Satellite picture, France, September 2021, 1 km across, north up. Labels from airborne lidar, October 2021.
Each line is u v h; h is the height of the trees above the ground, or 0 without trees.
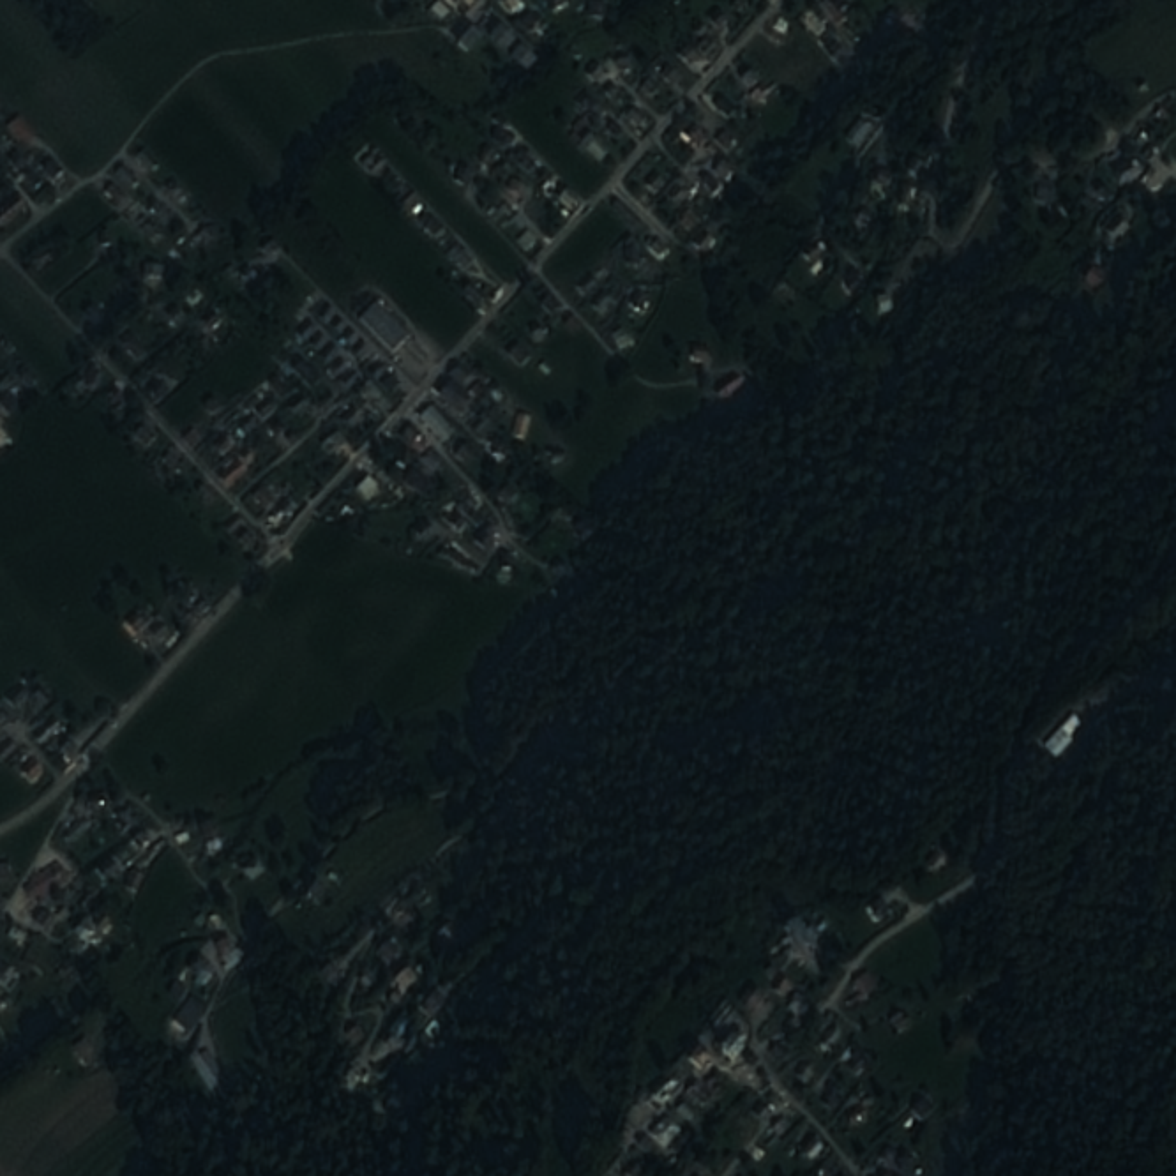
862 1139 0
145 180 0
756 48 0
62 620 0
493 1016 15
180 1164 19
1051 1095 27
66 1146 0
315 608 0
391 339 0
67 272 0
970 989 12
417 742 0
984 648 12
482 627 0
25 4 14
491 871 14
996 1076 16
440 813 0
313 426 0
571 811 21
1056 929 20
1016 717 19
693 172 0
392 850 0
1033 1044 29
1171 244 23
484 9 0
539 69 18
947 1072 0
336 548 0
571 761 17
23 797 0
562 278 0
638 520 27
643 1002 22
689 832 19
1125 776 22
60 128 0
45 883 0
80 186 0
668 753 12
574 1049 27
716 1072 7
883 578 19
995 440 19
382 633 0
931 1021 0
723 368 0
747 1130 0
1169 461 19
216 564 0
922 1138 12
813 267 0
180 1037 0
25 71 0
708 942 15
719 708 18
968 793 20
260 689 0
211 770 0
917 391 21
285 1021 22
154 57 0
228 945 0
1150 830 27
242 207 0
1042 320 17
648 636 12
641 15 16
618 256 0
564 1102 0
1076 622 14
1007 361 22
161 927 0
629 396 0
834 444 25
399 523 0
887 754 19
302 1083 10
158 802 0
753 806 19
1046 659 20
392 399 0
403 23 13
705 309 0
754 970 0
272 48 0
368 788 17
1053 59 13
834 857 20
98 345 19
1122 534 30
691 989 16
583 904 33
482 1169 24
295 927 0
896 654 23
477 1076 10
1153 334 23
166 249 0
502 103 9
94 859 0
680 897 31
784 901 0
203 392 0
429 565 0
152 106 0
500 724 20
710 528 25
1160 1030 24
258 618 0
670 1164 6
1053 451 28
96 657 0
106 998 17
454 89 0
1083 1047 27
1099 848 22
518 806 25
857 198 17
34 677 7
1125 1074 34
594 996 27
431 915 0
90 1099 0
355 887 0
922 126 8
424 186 0
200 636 0
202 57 0
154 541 0
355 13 0
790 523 25
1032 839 20
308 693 0
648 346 0
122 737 0
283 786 0
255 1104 10
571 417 14
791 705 18
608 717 15
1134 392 20
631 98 6
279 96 0
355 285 0
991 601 24
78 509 0
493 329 6
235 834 0
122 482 0
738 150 0
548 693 20
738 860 20
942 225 9
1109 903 21
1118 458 33
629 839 23
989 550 19
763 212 20
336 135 22
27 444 0
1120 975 24
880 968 0
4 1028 0
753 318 0
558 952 22
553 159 0
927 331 21
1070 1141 28
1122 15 9
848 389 32
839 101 11
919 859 14
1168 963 27
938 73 14
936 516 33
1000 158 5
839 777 18
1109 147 0
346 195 0
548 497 18
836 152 5
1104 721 9
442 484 13
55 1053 18
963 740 18
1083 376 29
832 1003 0
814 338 8
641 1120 0
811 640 21
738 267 6
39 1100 0
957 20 7
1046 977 22
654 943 24
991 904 16
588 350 0
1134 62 0
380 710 0
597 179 0
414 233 0
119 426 8
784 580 15
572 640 17
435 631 0
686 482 21
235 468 0
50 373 0
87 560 0
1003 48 9
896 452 15
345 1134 15
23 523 0
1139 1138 29
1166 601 31
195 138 0
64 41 13
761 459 25
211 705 0
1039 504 18
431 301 0
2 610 0
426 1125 33
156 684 0
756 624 27
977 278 23
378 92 25
